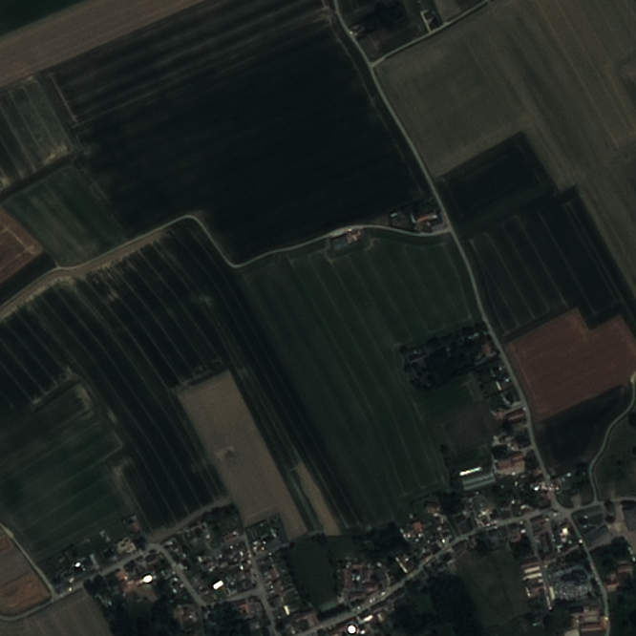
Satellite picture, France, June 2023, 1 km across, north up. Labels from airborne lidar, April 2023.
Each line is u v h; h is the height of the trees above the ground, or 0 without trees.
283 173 0
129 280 0
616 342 0
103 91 0
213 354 0
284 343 0
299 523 0
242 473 0
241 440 0
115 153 0
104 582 12
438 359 14
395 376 0
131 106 0
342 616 0
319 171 0
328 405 0
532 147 0
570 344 0
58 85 0
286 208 0
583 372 0
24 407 0
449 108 0
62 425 0
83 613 0
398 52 0
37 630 0
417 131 0
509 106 0
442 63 0
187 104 0
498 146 0
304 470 0
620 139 0
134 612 0
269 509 0
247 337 0
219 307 0
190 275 0
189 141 0
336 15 0
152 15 0
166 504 0
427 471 0
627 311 0
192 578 0
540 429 0
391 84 0
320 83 0
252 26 0
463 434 0
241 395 0
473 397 0
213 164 0
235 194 0
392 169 0
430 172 0
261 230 0
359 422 0
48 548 0
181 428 0
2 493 0
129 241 0
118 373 0
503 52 0
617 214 0
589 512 0
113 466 0
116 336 0
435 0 0
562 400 0
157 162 0
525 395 0
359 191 0
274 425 0
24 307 0
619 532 0
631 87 0
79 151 0
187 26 0
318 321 0
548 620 10
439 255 0
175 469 0
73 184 0
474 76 0
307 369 0
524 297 0
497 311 0
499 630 0
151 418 0
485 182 0
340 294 0
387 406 0
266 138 0
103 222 0
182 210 0
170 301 0
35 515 0
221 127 0
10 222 0
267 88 0
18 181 0
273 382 0
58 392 0
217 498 0
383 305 0
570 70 0
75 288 0
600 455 0
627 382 0
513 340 0
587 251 0
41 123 0
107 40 0
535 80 0
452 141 0
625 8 0
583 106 0
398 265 0
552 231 0
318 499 0
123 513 0
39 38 0
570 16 0
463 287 0
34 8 0
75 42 0
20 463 0
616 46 0
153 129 0
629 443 0
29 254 0
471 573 0
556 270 0
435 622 19
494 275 0
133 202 0
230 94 0
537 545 0
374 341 0
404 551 9
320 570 0
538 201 0
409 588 9
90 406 0
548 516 0
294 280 0
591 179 0
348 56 0
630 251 0
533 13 0
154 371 0
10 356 0
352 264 0
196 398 0
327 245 0
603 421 0
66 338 0
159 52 0
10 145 0
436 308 0
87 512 0
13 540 0
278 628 7
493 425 0
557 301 0
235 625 12
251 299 0
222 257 0
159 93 0
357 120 0
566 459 0
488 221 0
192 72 0
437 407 0
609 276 0
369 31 7
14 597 0
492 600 0
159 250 0
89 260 0
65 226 0
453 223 0
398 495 0
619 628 0
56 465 0
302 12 0
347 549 0
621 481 0
